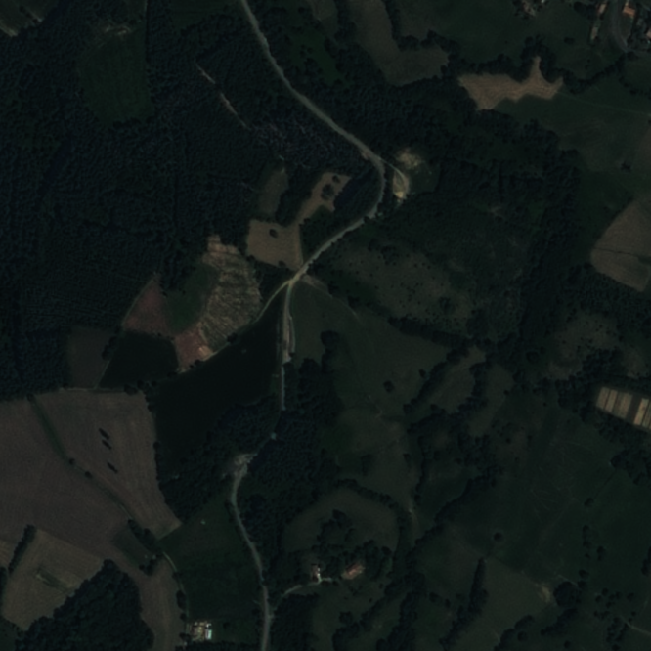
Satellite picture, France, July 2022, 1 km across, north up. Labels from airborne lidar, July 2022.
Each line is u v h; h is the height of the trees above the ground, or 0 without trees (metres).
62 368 32
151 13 16
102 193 24
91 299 10
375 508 0
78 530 0
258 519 30
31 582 0
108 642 17
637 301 8
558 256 19
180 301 0
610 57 0
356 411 0
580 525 0
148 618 0
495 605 0
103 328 13
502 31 0
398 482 0
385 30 0
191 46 13
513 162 7
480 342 25
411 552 12
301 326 0
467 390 0
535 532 0
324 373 20
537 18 0
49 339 34
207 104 22
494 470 12
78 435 0
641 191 0
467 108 20
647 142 0
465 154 11
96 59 0
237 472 0
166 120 23
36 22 13
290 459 28
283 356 0
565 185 13
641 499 0
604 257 0
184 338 0
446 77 12
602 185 0
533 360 16
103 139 29
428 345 0
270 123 32
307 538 0
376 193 18
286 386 10
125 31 0
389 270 0
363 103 17
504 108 0
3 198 34
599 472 0
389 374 0
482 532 0
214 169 19
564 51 0
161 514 0
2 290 11
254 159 22
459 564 0
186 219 19
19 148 32
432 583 0
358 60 14
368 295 0
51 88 15
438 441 0
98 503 0
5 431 0
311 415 21
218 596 0
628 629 11
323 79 9
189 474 11
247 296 0
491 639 0
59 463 0
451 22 0
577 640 0
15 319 12
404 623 16
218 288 0
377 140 19
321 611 0
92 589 22
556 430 0
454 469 0
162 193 13
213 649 21
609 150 0
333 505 0
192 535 0
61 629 14
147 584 0
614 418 13
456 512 11
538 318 18
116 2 24
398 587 15
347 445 0
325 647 0
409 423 0
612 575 0
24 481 0
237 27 13
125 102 0
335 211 7
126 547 0
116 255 10
